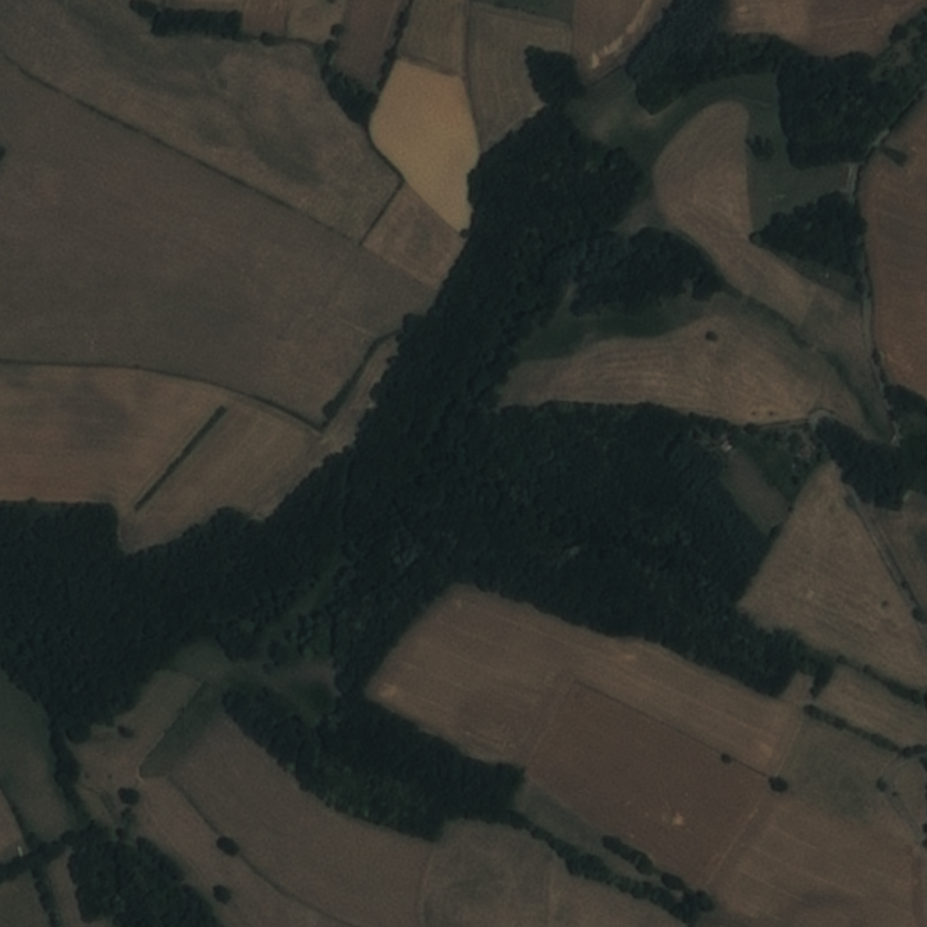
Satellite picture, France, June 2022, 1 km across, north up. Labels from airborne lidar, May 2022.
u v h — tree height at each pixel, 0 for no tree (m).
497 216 18
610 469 20
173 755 0
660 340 0
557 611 18
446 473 20
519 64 0
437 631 0
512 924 0
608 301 17
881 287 0
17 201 0
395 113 0
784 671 17
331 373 0
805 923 0
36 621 17
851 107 22
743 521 25
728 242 0
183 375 0
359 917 0
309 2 0
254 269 0
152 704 0
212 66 0
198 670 0
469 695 0
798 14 0
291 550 20
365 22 0
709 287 26
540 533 14
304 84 0
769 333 0
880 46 0
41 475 0
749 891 0
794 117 25
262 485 0
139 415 0
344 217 0
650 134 0
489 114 0
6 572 19
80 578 14
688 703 0
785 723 0
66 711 23
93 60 0
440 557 26
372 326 0
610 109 0
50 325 0
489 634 0
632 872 0
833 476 0
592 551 13
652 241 20
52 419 0
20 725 0
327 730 22
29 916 0
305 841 0
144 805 0
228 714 12
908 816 0
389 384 12
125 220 0
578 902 0
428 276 0
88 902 17
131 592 14
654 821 0
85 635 14
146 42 0
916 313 0
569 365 0
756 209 0
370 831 0
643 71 22
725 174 0
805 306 0
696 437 12
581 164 14
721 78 16
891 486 15
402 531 21
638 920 0
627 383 0
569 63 12
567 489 24
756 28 0
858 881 0
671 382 0
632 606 20
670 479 17
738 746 0
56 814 0
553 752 0
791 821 0
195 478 0
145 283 0
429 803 14
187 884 0
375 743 18
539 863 0
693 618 19
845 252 6
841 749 0
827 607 0
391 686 0
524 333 29
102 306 0
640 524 17
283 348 0
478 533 23
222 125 0
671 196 0
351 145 0
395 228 0
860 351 0
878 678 0
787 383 0
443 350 20
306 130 0
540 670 0
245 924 0
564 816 0
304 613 0
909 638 0
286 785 0
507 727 0
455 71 0
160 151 0
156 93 0
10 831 0
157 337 0
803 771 0
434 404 21
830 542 0
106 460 0
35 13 0
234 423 0
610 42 0
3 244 0
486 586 14
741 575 19
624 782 0
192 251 0
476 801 26
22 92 0
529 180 15
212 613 20
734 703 0
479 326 26
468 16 0
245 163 0
